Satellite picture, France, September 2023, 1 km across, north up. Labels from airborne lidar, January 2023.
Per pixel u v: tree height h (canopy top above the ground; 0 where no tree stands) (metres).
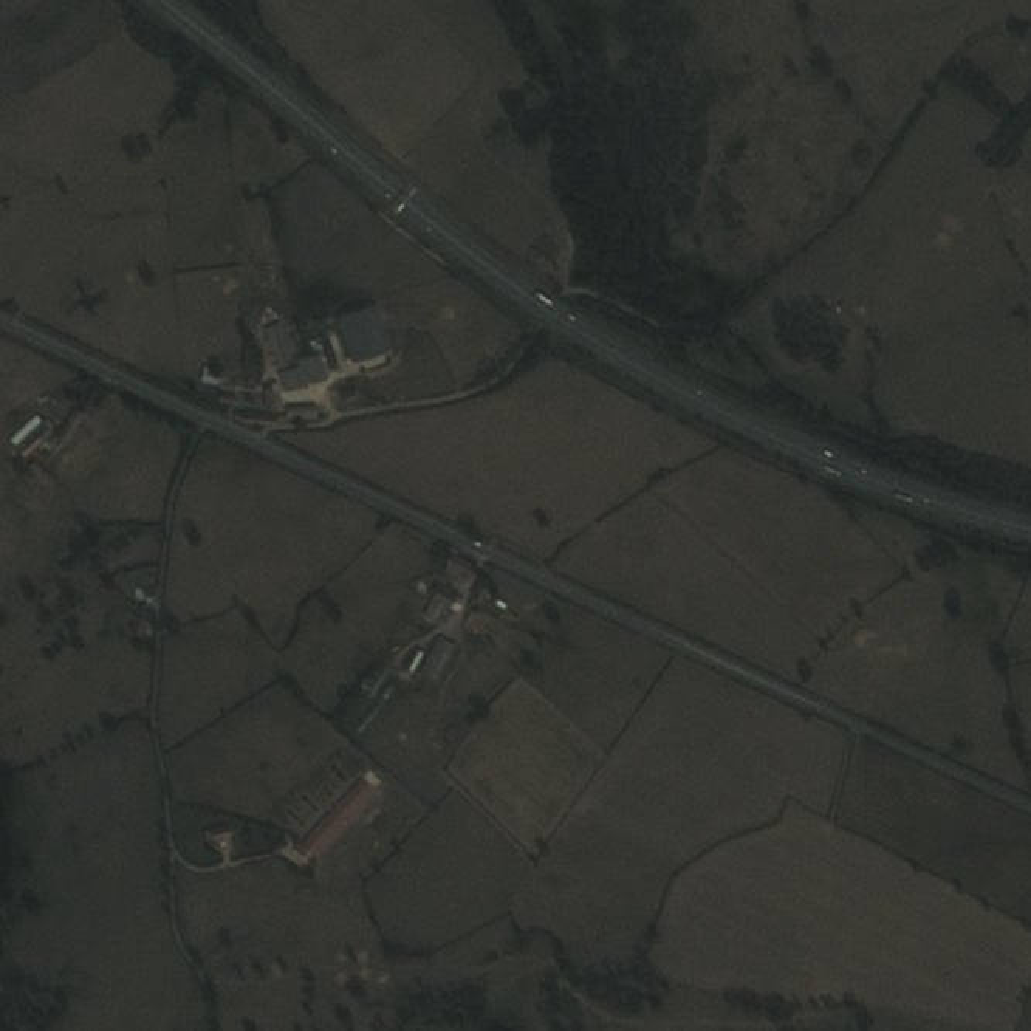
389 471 0
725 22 0
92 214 0
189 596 0
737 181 0
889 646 0
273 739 0
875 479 0
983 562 0
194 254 0
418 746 0
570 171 14
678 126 12
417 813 0
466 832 0
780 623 0
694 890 0
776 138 0
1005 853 0
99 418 0
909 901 0
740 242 0
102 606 0
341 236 0
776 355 0
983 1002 0
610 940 0
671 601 0
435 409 0
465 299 0
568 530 0
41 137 0
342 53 0
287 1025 0
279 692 0
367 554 0
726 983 0
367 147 0
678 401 0
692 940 0
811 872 0
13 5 0
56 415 0
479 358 0
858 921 0
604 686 0
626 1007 10
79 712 0
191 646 0
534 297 0
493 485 0
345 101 0
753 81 0
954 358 0
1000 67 0
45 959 0
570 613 0
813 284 0
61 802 0
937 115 0
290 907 0
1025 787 0
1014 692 0
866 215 0
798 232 0
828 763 0
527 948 0
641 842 0
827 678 0
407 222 0
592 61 20
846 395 0
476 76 0
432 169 0
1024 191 0
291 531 0
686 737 0
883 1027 0
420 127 0
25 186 0
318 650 0
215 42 0
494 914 0
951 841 0
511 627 0
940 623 0
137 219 0
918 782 0
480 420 0
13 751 0
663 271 14
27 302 0
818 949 0
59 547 0
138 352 0
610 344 0
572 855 0
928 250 0
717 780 0
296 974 0
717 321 20
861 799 0
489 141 0
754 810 0
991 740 0
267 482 0
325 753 0
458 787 0
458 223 0
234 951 0
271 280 0
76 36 0
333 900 0
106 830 0
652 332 6
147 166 0
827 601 0
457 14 0
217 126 0
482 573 10
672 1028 0
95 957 0
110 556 0
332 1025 0
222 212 0
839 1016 0
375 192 0
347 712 0
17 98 0
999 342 0
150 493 0
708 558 0
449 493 0
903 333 0
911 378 0
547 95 0
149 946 0
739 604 0
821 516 0
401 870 0
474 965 0
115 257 0
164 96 0
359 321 0
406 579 0
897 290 0
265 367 0
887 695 0
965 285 0
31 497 0
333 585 0
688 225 0
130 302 0
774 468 0
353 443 0
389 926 0
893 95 0
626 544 0
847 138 0
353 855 0
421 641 0
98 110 0
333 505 0
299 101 0
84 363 0
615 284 9
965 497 0
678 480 0
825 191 0
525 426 0
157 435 0
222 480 0
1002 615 0
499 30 0
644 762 0
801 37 0
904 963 0
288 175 0
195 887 0
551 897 0
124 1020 0
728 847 0
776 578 0
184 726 0
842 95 9
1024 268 9
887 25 0
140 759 0
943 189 0
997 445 0
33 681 0
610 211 21
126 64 0
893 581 0
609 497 0
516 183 0
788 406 7
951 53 0
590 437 0
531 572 0
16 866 0
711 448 0
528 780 0
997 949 0
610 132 0
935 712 0
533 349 8
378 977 0
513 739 0
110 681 0
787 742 0
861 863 0
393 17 0
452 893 0
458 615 0
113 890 0
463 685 0
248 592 0
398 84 0
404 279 0
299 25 0
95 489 0
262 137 0
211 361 8
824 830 0
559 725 0
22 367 0
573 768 0
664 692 0
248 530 0
